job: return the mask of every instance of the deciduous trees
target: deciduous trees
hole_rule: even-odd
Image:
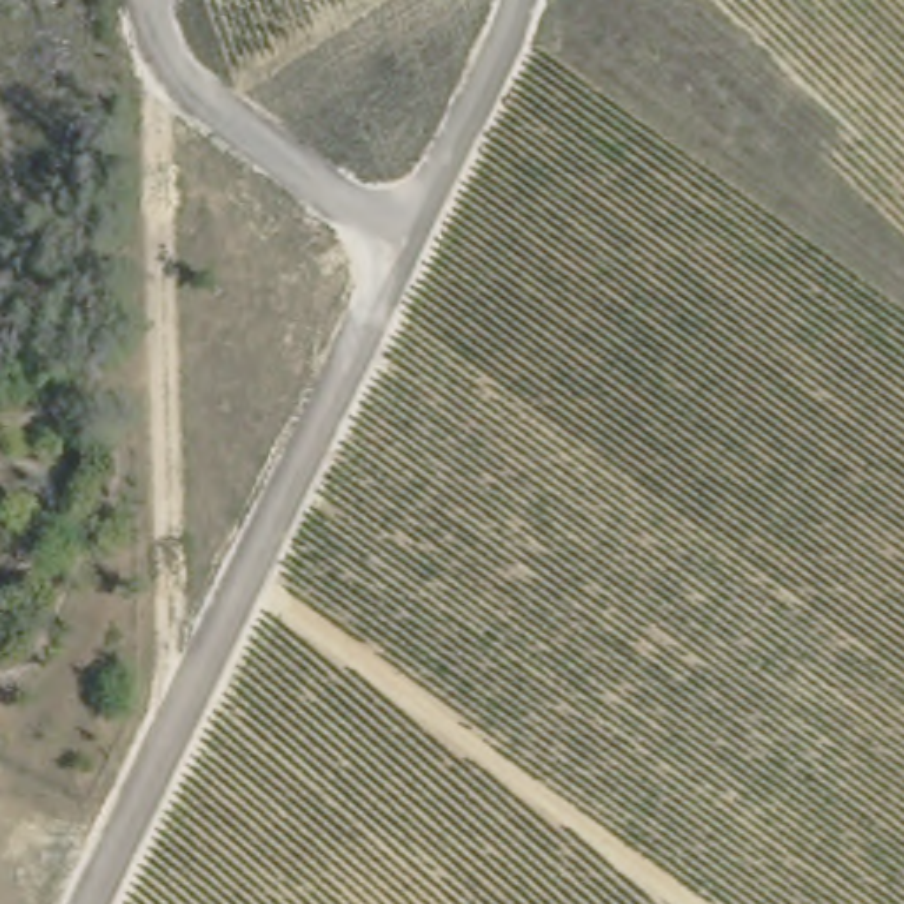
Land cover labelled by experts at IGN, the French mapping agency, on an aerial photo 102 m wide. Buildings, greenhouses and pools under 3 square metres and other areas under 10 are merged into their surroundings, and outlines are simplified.
[[[81,88],[74,74],[53,74],[57,88],[64,88],[64,99],[39,99],[25,85],[0,88],[0,703],[14,706],[14,685],[28,678],[28,664],[53,664],[57,650],[64,646],[67,622],[53,614],[53,597],[60,586],[99,586],[106,593],[155,590],[159,569],[152,544],[155,530],[145,353],[148,314],[138,81],[120,99]]]
[[[212,275],[177,261],[166,265],[166,275],[173,275],[177,283],[205,290],[212,286]]]
[[[134,689],[127,667],[117,657],[120,629],[106,629],[99,657],[88,667],[81,667],[78,692],[92,713],[117,717],[131,713]]]
[[[113,28],[120,28],[124,0],[81,0],[92,39],[106,39]]]

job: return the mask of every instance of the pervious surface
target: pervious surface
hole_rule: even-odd
[[[187,650],[205,607],[212,604],[212,597],[205,593],[198,614],[184,607],[187,558],[180,537],[184,477],[177,283],[173,275],[166,275],[166,265],[177,261],[177,109],[177,102],[159,85],[148,64],[134,67],[138,81],[148,314],[145,353],[155,530],[152,544],[159,569],[155,590],[155,678],[148,706],[124,752],[113,787],[88,826],[85,844],[71,855],[71,869],[53,904],[71,904],[81,872],[88,869],[99,837],[124,795],[124,784],[138,763],[138,752],[155,724],[155,713],[177,678],[180,653]]]

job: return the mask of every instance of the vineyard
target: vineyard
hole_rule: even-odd
[[[904,0],[533,0],[530,25],[501,81],[501,95],[491,106],[480,138],[473,138],[459,166],[459,177],[448,187],[445,205],[438,208],[434,226],[420,247],[413,268],[420,290],[406,311],[396,346],[378,343],[378,353],[328,441],[321,470],[304,494],[304,526],[293,526],[283,540],[279,554],[286,558],[286,576],[279,569],[268,572],[265,590],[254,600],[226,657],[226,667],[208,696],[208,706],[159,798],[159,809],[145,837],[138,840],[138,851],[120,879],[113,904],[904,904]]]
[[[357,18],[367,18],[385,0],[205,0],[205,14],[219,42],[219,60],[208,67],[222,81],[222,88],[233,85],[237,92],[251,95],[254,85],[268,81],[304,53],[318,49],[321,39],[328,39],[332,32],[350,28]]]

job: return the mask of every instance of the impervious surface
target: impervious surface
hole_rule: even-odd
[[[233,85],[222,88],[222,81],[208,67],[191,53],[184,39],[177,0],[124,0],[120,28],[120,39],[134,67],[148,64],[159,85],[177,102],[177,109],[194,117],[194,131],[208,134],[215,148],[237,155],[247,170],[290,187],[304,205],[307,226],[332,226],[350,254],[350,304],[332,325],[332,343],[314,353],[311,385],[300,392],[297,410],[275,434],[268,459],[258,473],[254,498],[244,519],[237,523],[244,530],[240,544],[219,586],[208,583],[205,593],[212,597],[212,604],[205,607],[187,650],[180,653],[177,678],[155,713],[155,724],[138,752],[138,763],[124,784],[124,795],[99,837],[88,869],[81,872],[71,904],[113,904],[120,879],[138,851],[138,840],[145,837],[159,809],[159,798],[208,706],[208,696],[226,667],[226,657],[254,600],[265,590],[268,572],[279,569],[286,576],[286,558],[279,554],[283,540],[293,526],[304,526],[304,494],[321,470],[328,441],[378,353],[378,343],[396,346],[406,311],[420,290],[413,268],[420,247],[434,226],[438,208],[445,205],[448,187],[459,177],[459,166],[473,138],[480,138],[491,106],[501,95],[501,81],[530,25],[533,0],[491,0],[487,21],[477,42],[470,46],[466,67],[448,95],[434,138],[427,141],[413,170],[399,180],[371,184],[346,166],[328,166],[314,152],[293,145],[283,117],[265,109],[251,95],[237,92]]]

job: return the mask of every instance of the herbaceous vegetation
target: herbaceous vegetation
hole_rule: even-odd
[[[300,392],[311,385],[314,353],[332,343],[332,325],[350,304],[350,254],[332,226],[307,226],[304,205],[290,187],[247,170],[237,155],[215,148],[208,134],[194,131],[194,117],[177,109],[177,261],[212,275],[212,286],[205,290],[177,283],[184,477],[180,537],[187,558],[184,607],[198,614],[205,593],[208,583],[219,586],[240,544],[244,530],[237,523],[244,519],[254,498],[258,473],[268,459],[275,434],[297,410]]]
[[[138,81],[134,67],[120,39],[120,28],[113,28],[106,39],[92,39],[81,0],[0,0],[0,88],[25,85],[39,99],[64,99],[64,88],[57,88],[53,74],[74,74],[81,88],[120,99]]]
[[[346,166],[371,184],[399,180],[413,170],[427,141],[434,138],[448,95],[466,67],[470,46],[477,42],[487,21],[491,0],[385,0],[367,18],[357,18],[350,28],[332,32],[328,39],[321,39],[318,49],[304,53],[268,81],[254,85],[251,95],[265,109],[283,117],[293,145],[314,152],[328,166]]]
[[[71,869],[71,855],[85,844],[88,826],[113,787],[124,752],[148,706],[155,678],[155,590],[106,593],[99,586],[60,586],[53,597],[53,614],[67,622],[64,646],[57,650],[53,664],[28,664],[28,678],[14,685],[14,706],[0,703],[0,904],[53,904]],[[92,713],[78,692],[81,667],[88,667],[99,657],[106,629],[120,629],[117,657],[127,667],[134,689],[131,713],[117,717]]]
[[[219,60],[219,42],[205,14],[205,0],[177,0],[184,39],[191,53],[208,67]]]

